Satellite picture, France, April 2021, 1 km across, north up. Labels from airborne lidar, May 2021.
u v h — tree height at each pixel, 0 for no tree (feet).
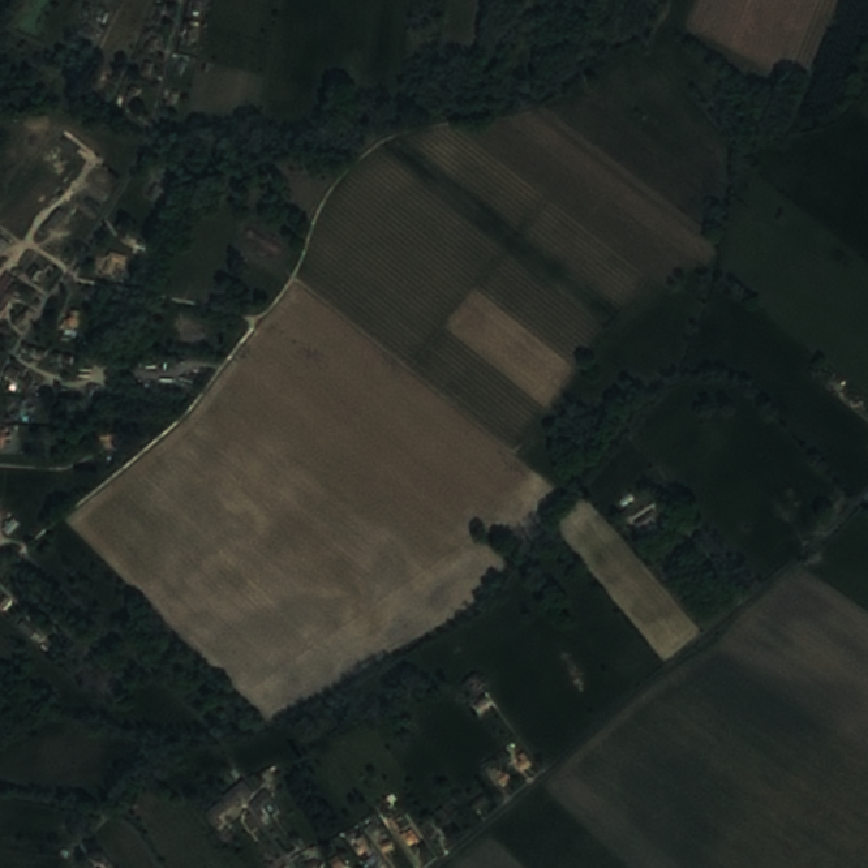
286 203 56
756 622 0
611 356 0
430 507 0
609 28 58
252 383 0
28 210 0
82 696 0
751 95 64
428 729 0
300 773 39
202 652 0
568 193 0
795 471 0
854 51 26
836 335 0
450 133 0
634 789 0
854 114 0
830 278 0
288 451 0
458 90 86
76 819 52
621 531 17
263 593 0
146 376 0
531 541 89
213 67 0
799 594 0
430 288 0
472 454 0
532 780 0
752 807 0
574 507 44
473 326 0
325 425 0
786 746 0
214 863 0
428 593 0
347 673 0
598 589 38
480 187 0
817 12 0
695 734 0
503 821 0
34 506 0
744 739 0
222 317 34
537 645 0
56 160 0
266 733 45
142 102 36
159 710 0
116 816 60
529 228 0
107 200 0
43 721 54
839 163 0
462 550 0
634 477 0
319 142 76
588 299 0
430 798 0
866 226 0
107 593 0
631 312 0
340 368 0
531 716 0
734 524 0
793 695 0
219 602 0
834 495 0
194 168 57
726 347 0
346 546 0
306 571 0
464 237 0
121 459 47
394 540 0
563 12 59
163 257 74
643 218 0
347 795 0
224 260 0
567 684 0
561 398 0
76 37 59
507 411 0
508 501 0
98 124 65
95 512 0
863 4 28
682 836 0
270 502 0
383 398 0
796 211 0
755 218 0
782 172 0
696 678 0
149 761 54
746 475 0
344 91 95
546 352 0
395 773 0
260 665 0
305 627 0
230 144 91
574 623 32
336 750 0
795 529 0
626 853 0
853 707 0
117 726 58
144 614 77
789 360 0
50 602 60
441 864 0
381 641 0
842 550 0
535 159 0
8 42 21
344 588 0
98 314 49
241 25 0
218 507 0
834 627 0
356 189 0
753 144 64
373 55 0
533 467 0
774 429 0
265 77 0
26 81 59
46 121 0
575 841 0
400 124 66
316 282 0
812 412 0
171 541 0
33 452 53
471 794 20
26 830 0
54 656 36
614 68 0
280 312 0
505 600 54
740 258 0
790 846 0
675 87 0
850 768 0
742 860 0
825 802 0
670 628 0
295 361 0
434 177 0
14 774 0
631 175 0
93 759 0
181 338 0
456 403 0
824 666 0
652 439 0
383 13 0
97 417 43
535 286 0
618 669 0
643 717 0
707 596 84
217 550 0
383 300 0
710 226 51
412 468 0
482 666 0
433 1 22
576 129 0
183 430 0
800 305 0
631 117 0
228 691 45
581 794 0
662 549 66
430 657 0
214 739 76
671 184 0
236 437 0
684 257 0
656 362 0
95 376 0
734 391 0
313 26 0
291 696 0
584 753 0
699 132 0
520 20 51
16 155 0
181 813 0
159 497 0
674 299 0
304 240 51
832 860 0
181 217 64
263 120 56
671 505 78
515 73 24
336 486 0
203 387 37
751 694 0
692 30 0
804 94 55
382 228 0
